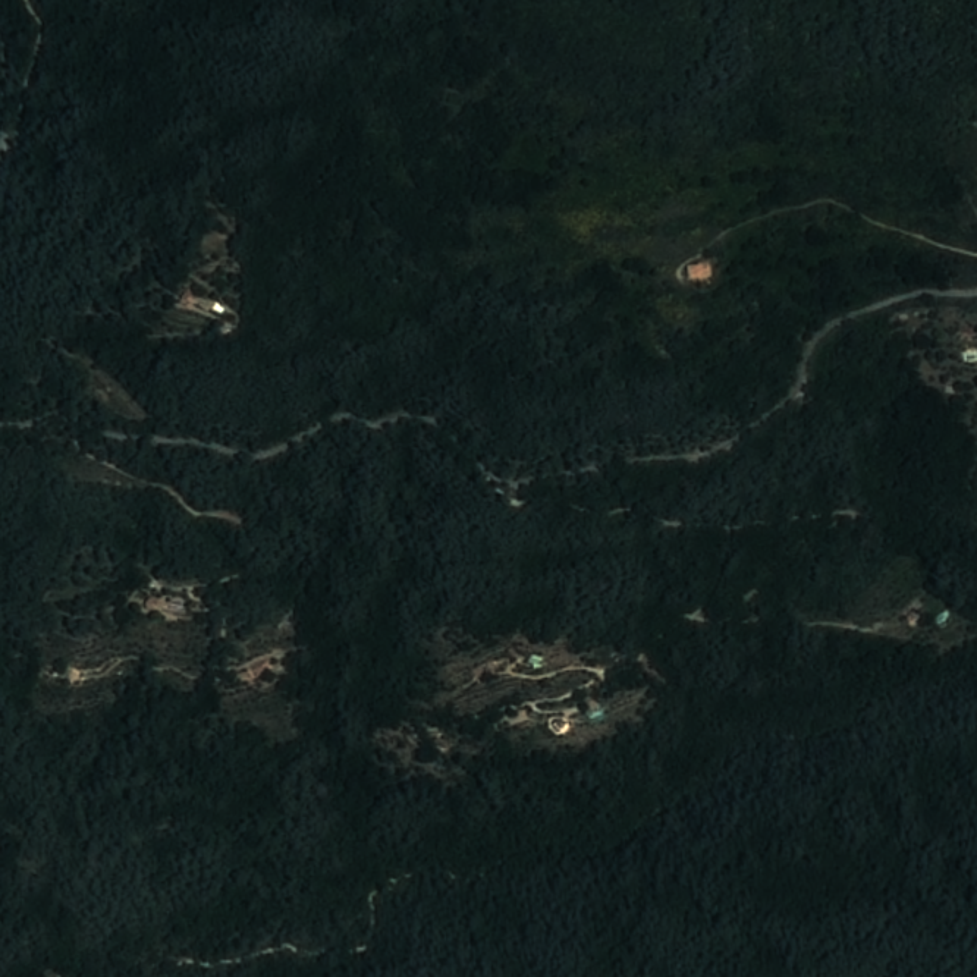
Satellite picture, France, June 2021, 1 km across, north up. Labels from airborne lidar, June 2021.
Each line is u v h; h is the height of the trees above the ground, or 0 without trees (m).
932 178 9
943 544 11
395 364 15
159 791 18
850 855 15
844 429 17
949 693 11
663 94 10
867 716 19
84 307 21
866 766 23
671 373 13
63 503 16
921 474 17
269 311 20
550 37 7
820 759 16
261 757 14
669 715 25
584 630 17
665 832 11
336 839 12
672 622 14
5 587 15
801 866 17
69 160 19
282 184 12
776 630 17
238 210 10
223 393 18
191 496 18
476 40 8
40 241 21
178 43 7
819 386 11
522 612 11
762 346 10
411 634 19
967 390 6
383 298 10
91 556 7
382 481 22
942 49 16
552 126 10
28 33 18
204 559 21
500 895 8
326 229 13
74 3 11
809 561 9
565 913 20
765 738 13
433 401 18
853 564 5
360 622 13
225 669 16
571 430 19
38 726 7
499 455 17
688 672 14
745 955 16
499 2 9
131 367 8
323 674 16
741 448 14
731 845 17
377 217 6
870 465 16
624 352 13
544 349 7
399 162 8
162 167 14
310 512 20
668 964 20
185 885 19
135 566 17
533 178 12
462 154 16
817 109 8
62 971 11
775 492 22
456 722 14
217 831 18
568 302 7
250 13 10
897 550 15
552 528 18
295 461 19
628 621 17
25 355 15
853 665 17
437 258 11
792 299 12
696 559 13
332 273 10
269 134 15
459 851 13
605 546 9
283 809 19
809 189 9
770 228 11
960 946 22
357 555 11
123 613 14
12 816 16
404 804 8
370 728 19
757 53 7
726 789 18
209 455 19
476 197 15
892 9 18
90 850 21
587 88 7
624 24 8
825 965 20
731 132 10
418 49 11
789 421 17
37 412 17
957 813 14
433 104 9
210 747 7
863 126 8
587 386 14
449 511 19
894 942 19
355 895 14
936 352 8
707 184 15
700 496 21
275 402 16
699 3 7
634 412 18
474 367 12
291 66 17
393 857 11
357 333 16
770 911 18
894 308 8
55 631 17
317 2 11
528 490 14
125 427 16
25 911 12
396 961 11
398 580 19
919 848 10
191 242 14
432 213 12
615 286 14
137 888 17
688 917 20
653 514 19
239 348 18
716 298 9
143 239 12
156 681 21
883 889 8
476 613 21
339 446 21
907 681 12
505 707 8
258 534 21
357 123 10
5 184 21
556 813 22
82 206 15
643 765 12
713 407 15
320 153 13
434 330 13
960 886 9
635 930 23
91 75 11
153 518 17
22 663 14
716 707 15
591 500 16
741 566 10
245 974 22
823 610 8
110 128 10
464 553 23
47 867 9
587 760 13
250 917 15
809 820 19
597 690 6
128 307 22
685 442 14
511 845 14
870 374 6
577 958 21
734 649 14
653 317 6
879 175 6
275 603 13
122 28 10
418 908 22
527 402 14
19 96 8
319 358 23
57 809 22
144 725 17
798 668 8
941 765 11
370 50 13
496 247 6
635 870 15
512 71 6
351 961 9
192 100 9
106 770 18
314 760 20
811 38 7
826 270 16
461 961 20
